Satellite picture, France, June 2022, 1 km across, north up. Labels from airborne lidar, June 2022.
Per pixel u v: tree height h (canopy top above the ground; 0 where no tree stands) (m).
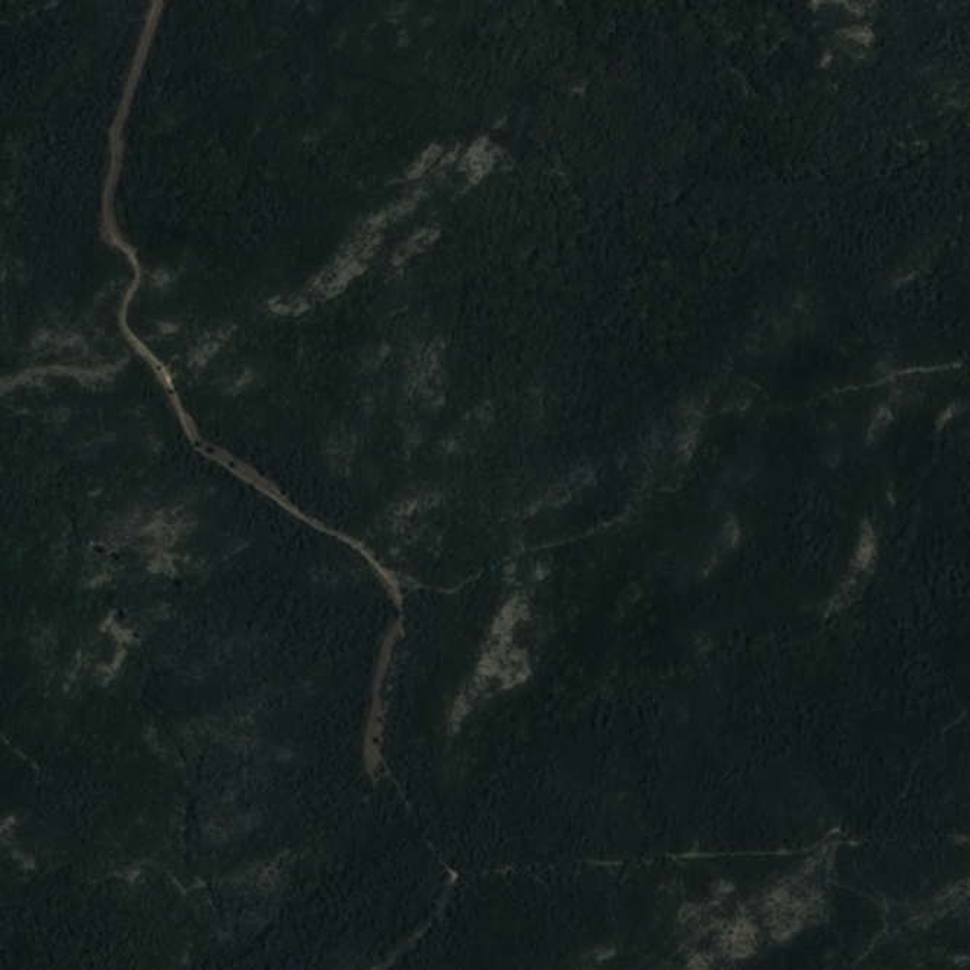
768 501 10
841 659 7
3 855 9
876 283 12
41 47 10
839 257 8
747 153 15
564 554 10
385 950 10
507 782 14
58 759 6
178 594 9
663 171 12
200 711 8
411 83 8
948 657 7
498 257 17
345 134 7
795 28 6
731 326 7
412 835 6
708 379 6
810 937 10
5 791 6
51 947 12
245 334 7
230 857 6
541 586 7
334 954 10
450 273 12
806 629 7
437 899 9
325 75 5
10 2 6
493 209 14
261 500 11
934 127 12
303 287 5
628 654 9
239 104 6
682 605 7
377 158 8
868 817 9
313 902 15
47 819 13
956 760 9
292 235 6
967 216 8
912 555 8
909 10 10
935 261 7
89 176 15
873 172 17
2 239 7
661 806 12
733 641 9
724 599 14
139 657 9
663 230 14
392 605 13
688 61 11
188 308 6
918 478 7
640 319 19
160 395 13
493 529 7
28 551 7
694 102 11
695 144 12
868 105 12
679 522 6
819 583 6
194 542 6
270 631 11
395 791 10
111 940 15
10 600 11
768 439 7
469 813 7
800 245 8
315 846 7
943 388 5
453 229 14
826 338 9
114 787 14
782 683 11
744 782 6
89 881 13
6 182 8
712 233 18
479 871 16
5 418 6
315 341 7
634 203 16
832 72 7
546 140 11
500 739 6
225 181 13
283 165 8
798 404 6
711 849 10
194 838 6
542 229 14
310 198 6
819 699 6
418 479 6
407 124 10
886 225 15
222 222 13
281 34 8
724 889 0
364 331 7
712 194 14
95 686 5
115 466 6
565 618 9
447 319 7
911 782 10
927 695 12
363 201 8
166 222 11
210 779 7
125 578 9
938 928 10
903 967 9
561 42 14
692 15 14
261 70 8
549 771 8
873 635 6
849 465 9
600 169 12
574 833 13
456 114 12
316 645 14
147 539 5
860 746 6
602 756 7
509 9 12
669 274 21
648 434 7
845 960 8
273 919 6
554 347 11
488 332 10
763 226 7
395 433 6
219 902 6
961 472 6
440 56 10
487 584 12
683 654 7
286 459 11
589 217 16
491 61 18
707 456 8
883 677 8
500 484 8
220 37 13
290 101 6
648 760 7
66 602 7
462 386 9
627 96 7
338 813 14
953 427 8
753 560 7
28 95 12
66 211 12
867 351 7
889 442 5
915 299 14
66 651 6
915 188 10
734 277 10
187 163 13
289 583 6
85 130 14
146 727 6
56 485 11
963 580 14
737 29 16
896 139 11
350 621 11
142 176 8
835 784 6
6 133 9
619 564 7
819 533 9
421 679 12
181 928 9
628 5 12
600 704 13
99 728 7
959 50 18
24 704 6
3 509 16
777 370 6
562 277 12
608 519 10
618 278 11
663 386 7
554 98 10
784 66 15
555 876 16
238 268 6
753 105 13
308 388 6
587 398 7
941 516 6
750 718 15
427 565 7
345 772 12
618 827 8
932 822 11
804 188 13
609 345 18
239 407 6
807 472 6
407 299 8
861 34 0
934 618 15
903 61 6
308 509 14
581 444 6
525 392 7
